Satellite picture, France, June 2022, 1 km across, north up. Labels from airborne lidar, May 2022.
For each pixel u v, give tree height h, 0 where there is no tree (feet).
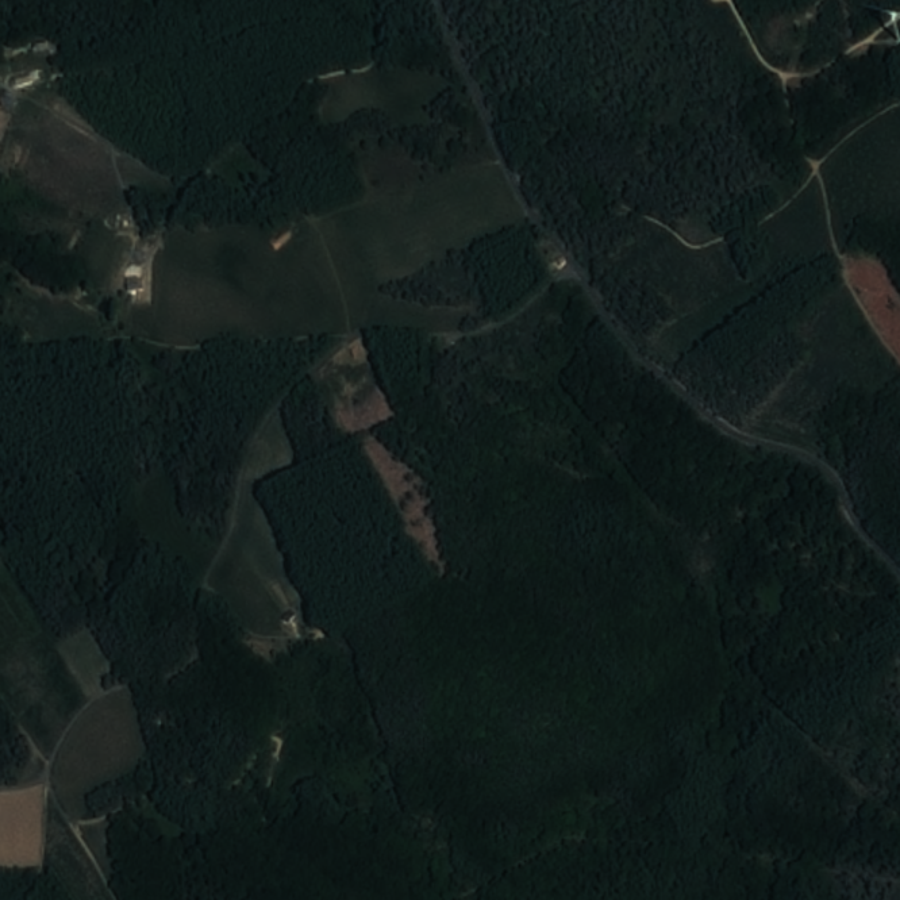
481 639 65
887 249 81
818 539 52
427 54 75
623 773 63
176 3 56
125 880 55
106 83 25
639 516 51
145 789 42
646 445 49
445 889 60
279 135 76
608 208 52
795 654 60
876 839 97
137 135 26
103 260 0
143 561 72
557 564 58
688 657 73
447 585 55
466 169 0
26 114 0
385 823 49
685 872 86
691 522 56
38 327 0
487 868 63
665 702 80
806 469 71
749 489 62
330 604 100
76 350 93
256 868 68
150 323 0
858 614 57
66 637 56
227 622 87
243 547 0
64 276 68
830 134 65
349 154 18
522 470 51
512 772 62
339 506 93
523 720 49
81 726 0
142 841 64
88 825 0
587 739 58
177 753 67
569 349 27
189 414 62
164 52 56
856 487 46
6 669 0
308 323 0
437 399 55
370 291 0
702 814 127
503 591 62
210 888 41
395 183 0
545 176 49
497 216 0
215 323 0
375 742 19
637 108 31
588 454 65
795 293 93
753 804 80
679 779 93
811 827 68
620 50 36
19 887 41
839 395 32
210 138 54
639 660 67
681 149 36
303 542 101
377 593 92
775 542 50
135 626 95
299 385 30
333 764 28
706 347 61
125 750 0
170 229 37
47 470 108
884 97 54
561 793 76
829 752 31
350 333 0
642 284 45
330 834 107
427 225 0
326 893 84
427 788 80
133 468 85
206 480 62
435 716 49
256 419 64
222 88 54
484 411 53
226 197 85
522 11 42
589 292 0
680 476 51
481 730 62
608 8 36
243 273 0
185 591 100
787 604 60
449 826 48
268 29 55
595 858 70
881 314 0
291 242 0
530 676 56
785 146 57
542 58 50
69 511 102
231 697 77
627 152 51
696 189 20
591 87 45
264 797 73
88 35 49
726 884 93
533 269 63
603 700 59
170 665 60
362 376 0
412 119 0
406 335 63
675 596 85
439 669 57
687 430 48
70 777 0
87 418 94
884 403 52
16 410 109
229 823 61
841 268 98
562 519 75
